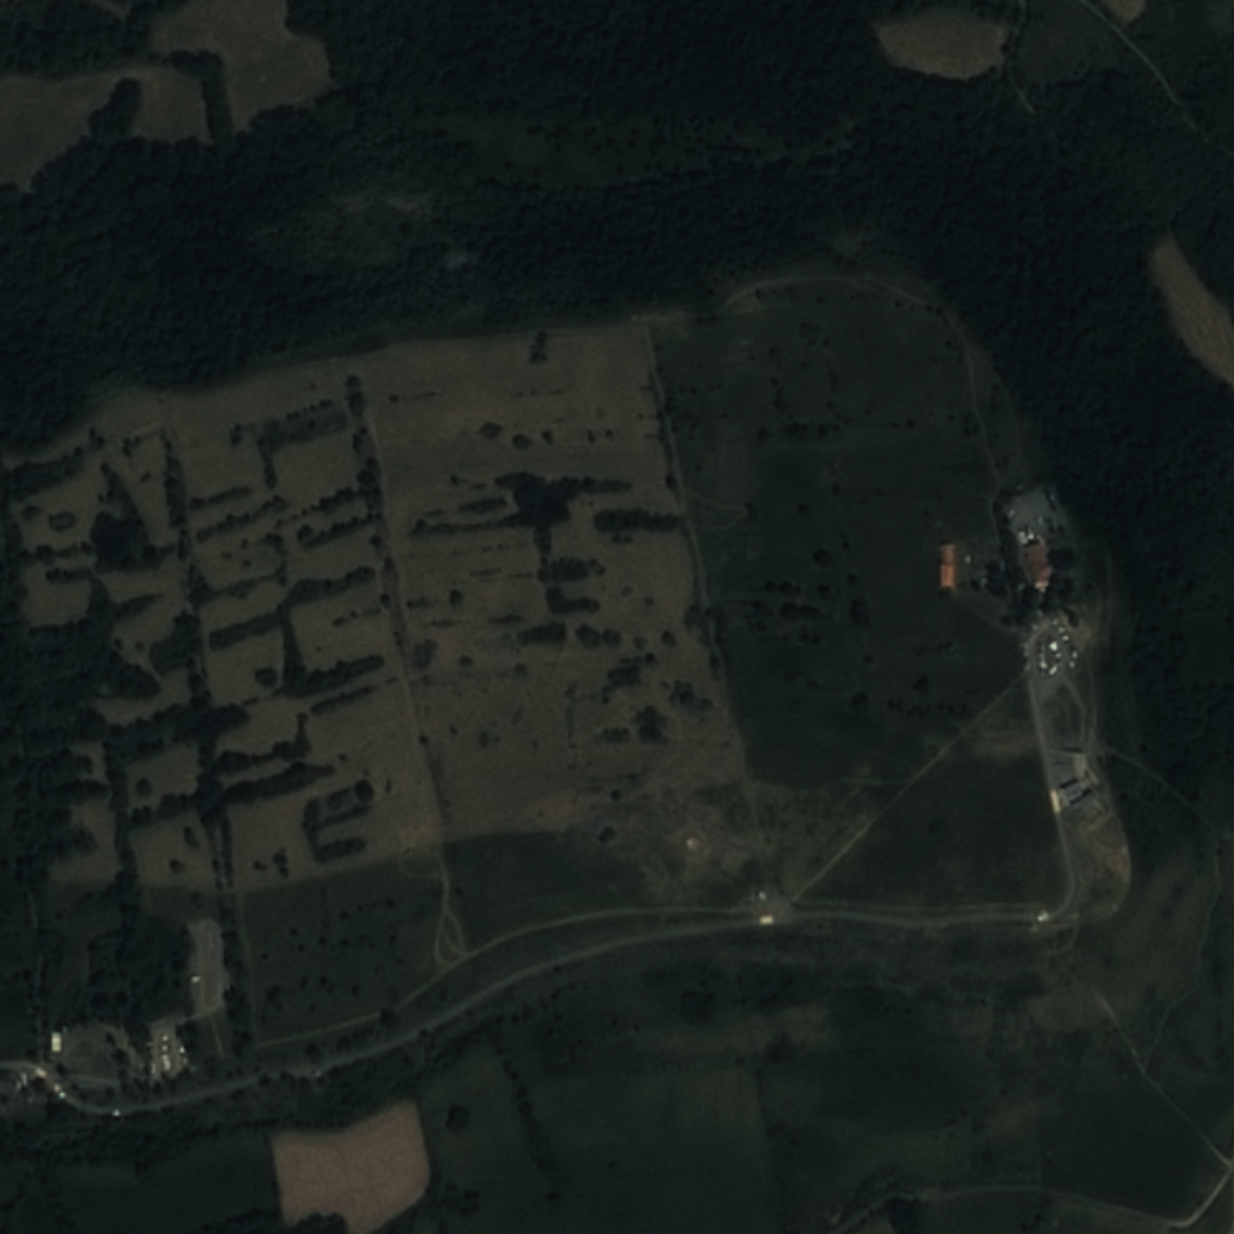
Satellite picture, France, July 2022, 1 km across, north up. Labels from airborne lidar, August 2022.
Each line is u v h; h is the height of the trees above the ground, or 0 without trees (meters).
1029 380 12
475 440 0
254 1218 10
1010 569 11
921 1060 0
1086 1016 0
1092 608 0
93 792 14
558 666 0
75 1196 0
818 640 6
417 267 11
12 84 0
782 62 14
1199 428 15
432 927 0
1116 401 20
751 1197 0
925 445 0
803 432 7
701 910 0
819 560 9
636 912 0
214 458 0
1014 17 9
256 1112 0
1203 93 13
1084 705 0
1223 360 0
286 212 10
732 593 0
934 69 0
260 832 0
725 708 0
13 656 11
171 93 0
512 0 19
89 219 25
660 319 0
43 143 0
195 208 28
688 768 0
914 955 0
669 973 6
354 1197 0
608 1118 0
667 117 9
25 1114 0
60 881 0
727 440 0
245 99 0
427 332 0
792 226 9
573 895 0
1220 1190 0
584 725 0
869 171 7
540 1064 0
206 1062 10
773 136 10
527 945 0
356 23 18
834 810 0
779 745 0
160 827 0
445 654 0
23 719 13
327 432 0
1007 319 13
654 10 20
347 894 0
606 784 0
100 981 16
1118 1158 0
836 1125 0
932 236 16
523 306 6
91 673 9
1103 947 0
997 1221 0
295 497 0
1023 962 0
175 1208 0
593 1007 0
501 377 0
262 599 0
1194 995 0
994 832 0
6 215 7
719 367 0
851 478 0
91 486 0
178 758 0
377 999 0
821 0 19
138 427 0
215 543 0
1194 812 8
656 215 17
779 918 0
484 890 0
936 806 0
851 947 0
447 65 9
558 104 17
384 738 0
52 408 8
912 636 0
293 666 7
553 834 0
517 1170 0
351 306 12
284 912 0
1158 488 22
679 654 0
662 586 0
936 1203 0
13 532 7
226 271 19
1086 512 11
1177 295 0
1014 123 12
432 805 0
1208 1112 0
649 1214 0
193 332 17
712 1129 0
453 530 7
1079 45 0
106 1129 7
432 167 12
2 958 0
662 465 0
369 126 13
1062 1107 0
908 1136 0
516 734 0
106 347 18
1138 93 7
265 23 0
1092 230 17
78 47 16
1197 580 9
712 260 8
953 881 0
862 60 16
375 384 0
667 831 0
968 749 0
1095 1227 0
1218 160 10
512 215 12
